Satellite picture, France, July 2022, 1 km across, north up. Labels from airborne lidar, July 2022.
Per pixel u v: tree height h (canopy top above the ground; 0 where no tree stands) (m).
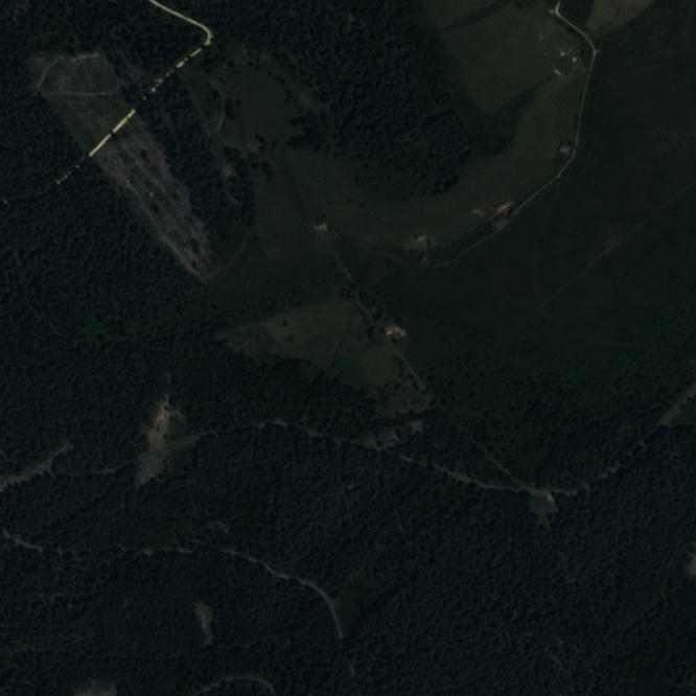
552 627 25
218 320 9
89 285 16
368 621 25
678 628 21
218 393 15
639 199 0
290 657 17
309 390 16
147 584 26
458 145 19
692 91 0
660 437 27
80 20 7
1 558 14
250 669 19
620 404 7
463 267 0
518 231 0
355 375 0
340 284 0
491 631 26
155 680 22
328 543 15
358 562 25
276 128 0
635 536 21
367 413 9
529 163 0
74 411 15
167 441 13
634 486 23
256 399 20
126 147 0
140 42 26
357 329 0
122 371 11
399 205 0
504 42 0
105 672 23
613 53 0
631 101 0
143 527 10
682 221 0
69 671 20
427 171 9
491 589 26
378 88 12
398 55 11
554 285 0
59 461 19
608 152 0
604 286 0
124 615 25
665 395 11
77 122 0
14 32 20
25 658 18
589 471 10
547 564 22
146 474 0
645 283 0
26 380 21
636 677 22
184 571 24
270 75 7
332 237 0
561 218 0
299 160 0
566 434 8
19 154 12
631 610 24
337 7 18
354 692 27
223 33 21
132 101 24
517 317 0
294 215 0
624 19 0
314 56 19
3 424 19
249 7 17
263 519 18
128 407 20
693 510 26
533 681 22
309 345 0
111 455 16
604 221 0
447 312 0
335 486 22
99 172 28
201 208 18
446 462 21
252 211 13
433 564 22
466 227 0
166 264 19
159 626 24
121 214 25
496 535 21
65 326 16
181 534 11
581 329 0
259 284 0
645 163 0
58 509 19
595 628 21
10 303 13
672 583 26
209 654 20
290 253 0
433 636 24
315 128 7
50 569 27
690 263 0
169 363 10
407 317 0
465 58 0
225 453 18
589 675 24
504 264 0
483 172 0
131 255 20
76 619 26
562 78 0
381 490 12
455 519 8
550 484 7
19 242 17
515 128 0
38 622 27
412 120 15
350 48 18
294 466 22
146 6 22
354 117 20
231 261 0
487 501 22
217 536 17
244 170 15
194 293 11
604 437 19
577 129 5
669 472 26
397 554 11
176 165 22
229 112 17
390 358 0
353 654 27
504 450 9
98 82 0
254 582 19
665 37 0
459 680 24
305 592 12
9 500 26
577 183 0
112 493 14
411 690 24
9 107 20
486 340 0
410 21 8
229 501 14
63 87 0
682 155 0
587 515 20
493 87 0
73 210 19
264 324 0
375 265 0
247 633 24
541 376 7
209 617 0
